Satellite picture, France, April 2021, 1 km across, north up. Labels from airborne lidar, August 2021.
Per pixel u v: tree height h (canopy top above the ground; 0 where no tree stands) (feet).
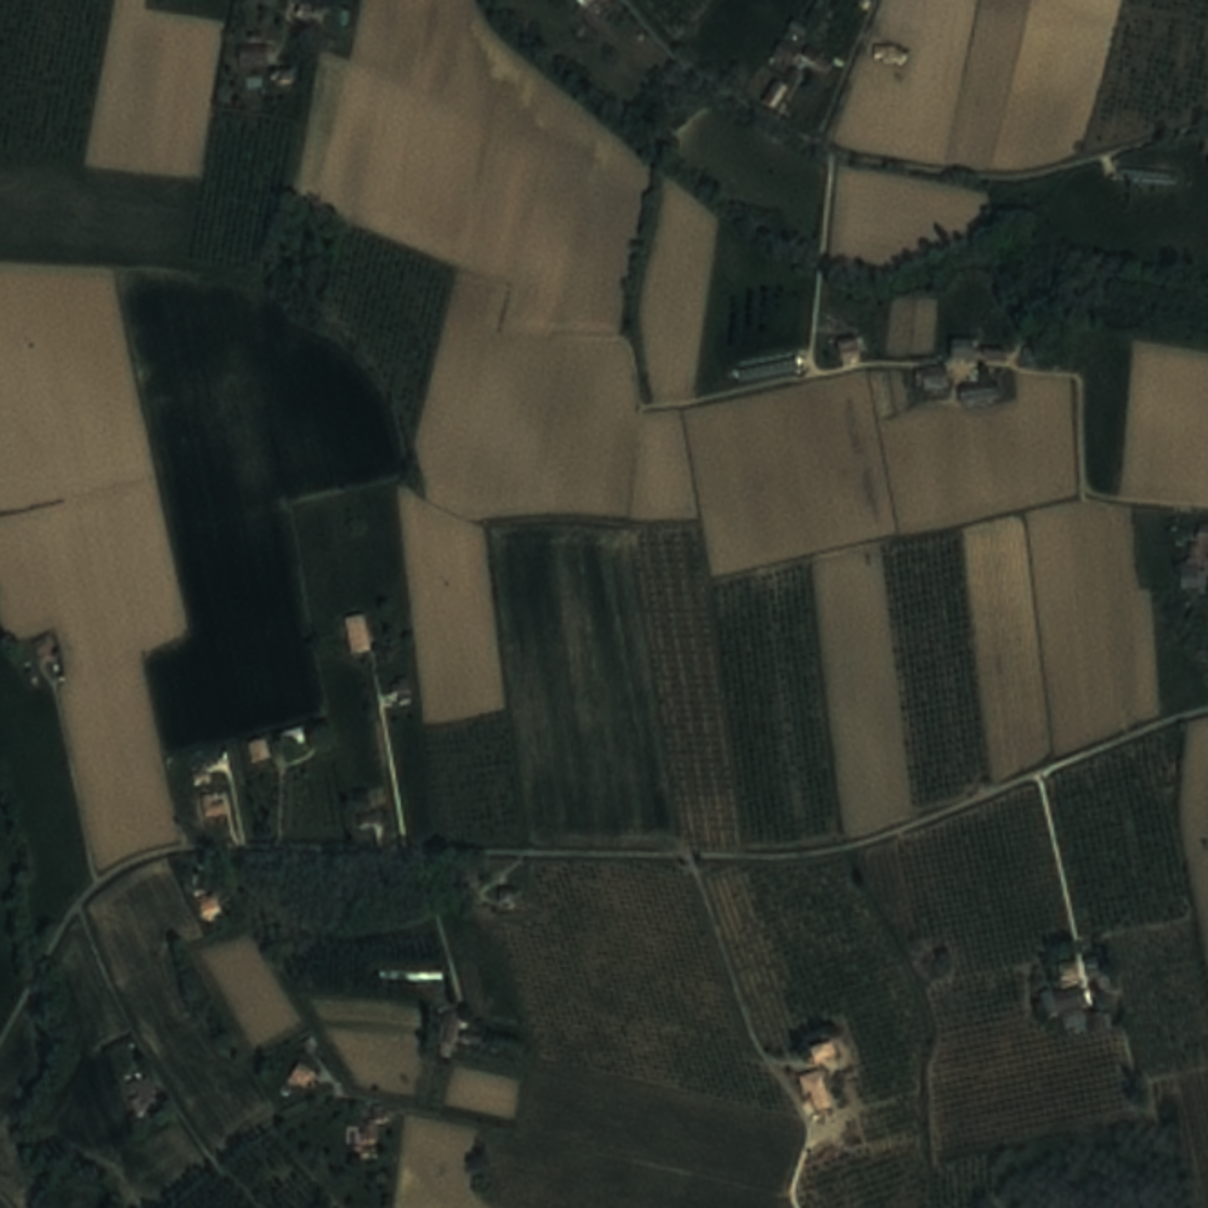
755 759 19
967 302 0
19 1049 0
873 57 0
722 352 0
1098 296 65
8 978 0
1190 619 20
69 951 0
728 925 0
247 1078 0
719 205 46
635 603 0
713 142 0
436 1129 0
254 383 0
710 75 55
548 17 0
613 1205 0
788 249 69
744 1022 0
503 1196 0
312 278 53
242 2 24
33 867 35
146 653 0
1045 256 31
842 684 0
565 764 0
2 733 0
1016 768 0
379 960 60
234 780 0
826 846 0
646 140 52
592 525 0
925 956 36
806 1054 60
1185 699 0
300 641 0
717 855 0
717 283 0
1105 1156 33
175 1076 0
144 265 0
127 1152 0
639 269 28
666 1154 0
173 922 0
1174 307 45
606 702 0
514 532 0
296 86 33
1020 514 0
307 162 0
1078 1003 0
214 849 54
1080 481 0
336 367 0
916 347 0
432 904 68
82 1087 0
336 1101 23
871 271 52
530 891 0
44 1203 53
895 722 0
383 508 0
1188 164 0
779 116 51
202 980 30
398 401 26
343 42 0
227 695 0
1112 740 0
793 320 0
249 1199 55
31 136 17
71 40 18
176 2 0
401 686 0
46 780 0
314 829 0
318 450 0
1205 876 0
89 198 0
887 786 0
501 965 0
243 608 0
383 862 80
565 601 0
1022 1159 25
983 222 25
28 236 0
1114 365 0
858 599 0
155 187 0
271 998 0
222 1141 0
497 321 0
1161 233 0
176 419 0
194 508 0
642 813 0
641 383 0
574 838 0
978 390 0
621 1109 0
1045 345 67
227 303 0
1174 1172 30
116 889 0
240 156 17
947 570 18
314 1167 39
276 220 59
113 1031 0
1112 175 0
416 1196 0
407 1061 0
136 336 0
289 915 54
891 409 0
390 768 0
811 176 0
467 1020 28
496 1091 0
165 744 0
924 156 0
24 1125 39
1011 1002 18
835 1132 0
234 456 0
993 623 0
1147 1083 38
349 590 0
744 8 0
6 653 44
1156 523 0
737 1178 0
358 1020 0
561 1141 0
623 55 49
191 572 0
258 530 0
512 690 0
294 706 0
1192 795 0
